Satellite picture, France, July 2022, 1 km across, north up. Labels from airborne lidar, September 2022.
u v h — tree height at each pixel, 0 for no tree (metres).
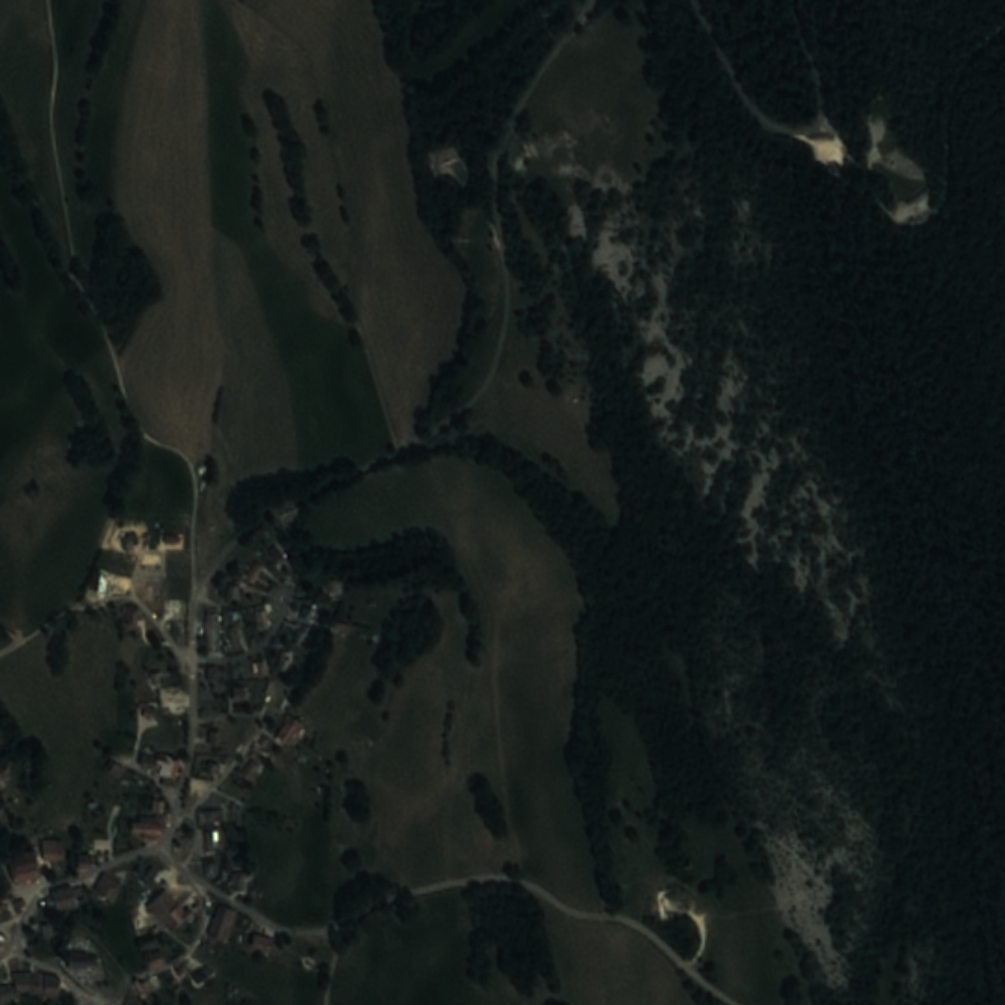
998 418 14
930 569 29
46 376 0
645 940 0
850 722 6
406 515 0
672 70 14
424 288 0
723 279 7
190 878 0
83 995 0
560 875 0
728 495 7
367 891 21
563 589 0
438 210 13
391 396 0
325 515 0
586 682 9
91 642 0
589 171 0
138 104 0
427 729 0
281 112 20
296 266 0
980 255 17
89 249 0
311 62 0
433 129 6
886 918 8
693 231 10
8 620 0
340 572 16
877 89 6
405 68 18
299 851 0
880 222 20
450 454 9
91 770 0
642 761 0
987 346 18
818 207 11
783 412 8
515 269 11
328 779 8
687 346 8
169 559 0
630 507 16
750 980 0
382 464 14
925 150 10
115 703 0
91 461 14
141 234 0
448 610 0
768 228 10
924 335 11
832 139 0
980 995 11
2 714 21
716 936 0
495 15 0
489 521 0
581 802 14
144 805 5
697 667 9
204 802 0
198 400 0
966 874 12
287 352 0
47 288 0
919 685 10
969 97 22
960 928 10
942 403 10
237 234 0
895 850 13
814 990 8
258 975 0
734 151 11
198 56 0
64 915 8
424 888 0
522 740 0
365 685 0
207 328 0
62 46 0
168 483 0
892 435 24
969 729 18
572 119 0
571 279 11
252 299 0
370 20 0
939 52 9
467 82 22
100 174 0
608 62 0
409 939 0
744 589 15
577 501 15
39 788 12
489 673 0
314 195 0
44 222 16
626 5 8
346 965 0
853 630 8
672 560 11
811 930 0
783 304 6
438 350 0
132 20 0
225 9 0
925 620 17
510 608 0
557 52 0
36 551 0
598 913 0
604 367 12
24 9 0
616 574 13
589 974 0
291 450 0
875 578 8
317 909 0
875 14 8
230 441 0
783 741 7
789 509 6
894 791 10
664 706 15
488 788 21
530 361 0
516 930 12
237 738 0
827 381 8
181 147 0
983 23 16
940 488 19
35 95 0
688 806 16
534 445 0
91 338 0
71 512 0
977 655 20
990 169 14
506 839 0
